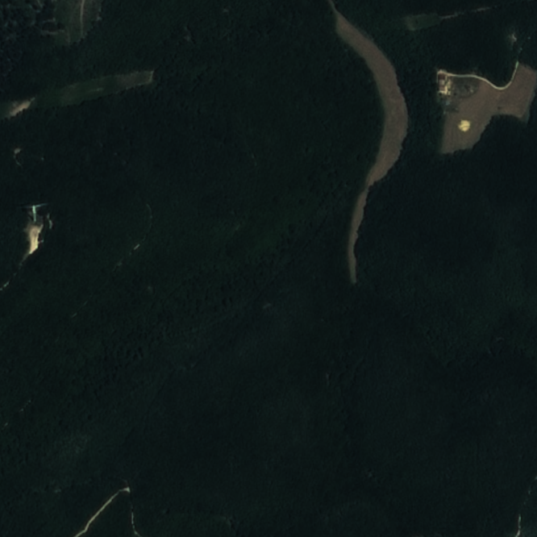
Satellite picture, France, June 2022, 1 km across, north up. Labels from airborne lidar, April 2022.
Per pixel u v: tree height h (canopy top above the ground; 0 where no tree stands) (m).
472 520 12
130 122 18
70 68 15
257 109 7
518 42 7
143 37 15
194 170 14
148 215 10
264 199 7
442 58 20
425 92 20
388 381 7
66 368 15
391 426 8
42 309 14
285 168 8
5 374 16
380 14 12
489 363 22
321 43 7
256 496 9
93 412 8
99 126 17
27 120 17
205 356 10
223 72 8
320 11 13
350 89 14
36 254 12
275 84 7
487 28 17
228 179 13
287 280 8
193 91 9
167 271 9
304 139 8
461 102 0
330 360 20
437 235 14
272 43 17
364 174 11
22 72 16
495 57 19
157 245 8
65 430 11
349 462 16
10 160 12
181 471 12
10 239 10
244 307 6
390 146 0
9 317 12
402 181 17
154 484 12
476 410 9
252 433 12
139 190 12
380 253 12
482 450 9
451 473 10
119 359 16
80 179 15
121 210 11
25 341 18
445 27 16
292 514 18
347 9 13
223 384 9
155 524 7
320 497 18
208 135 15
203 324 6
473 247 14
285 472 13
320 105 7
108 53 14
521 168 18
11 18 19
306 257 6
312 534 16
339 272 19
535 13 14
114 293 10
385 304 16
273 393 11
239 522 15
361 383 11
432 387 8
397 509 17
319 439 13
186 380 8
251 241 10
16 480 9
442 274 11
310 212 7
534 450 9
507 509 10
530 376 16
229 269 9
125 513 7
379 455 10
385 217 12
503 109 0
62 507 7
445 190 11
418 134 11
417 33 8
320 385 21
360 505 9
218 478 11
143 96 19
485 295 9
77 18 0
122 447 8
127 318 9
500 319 11
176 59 17
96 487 10
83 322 9
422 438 8
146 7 14
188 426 9
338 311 18
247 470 10
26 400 14
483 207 8
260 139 7
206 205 15
